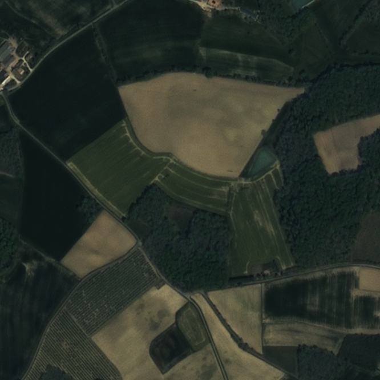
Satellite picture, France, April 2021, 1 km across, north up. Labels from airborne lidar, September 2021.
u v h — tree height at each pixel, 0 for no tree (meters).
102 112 0
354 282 0
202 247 19
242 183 0
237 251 0
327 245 16
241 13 13
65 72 0
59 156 0
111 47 0
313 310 0
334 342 0
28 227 0
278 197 18
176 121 0
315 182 24
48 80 0
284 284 0
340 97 26
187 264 16
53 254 0
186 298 0
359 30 0
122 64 0
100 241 0
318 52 0
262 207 0
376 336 8
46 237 0
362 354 6
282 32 23
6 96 11
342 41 14
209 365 0
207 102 0
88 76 0
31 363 0
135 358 0
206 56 0
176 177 0
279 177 0
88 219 15
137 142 0
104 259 0
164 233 20
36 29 0
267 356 0
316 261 16
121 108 0
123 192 0
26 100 0
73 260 0
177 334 0
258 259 0
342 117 21
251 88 0
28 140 0
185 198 0
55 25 0
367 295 0
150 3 0
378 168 22
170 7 0
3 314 0
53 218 0
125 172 0
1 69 0
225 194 0
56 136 0
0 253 29
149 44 0
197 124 0
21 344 0
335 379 13
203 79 0
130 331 0
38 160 0
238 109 0
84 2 0
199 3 0
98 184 0
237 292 0
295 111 10
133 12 0
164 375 0
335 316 0
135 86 0
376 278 0
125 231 0
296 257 17
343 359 12
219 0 0
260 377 0
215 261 23
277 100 0
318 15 0
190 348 0
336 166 0
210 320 0
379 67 17
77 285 0
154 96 0
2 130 0
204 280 20
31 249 0
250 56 0
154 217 23
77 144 0
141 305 0
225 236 19
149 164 0
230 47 0
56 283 0
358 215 20
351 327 0
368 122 0
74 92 0
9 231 16
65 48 0
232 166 0
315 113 29
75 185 0
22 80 0
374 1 15
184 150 0
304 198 24
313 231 20
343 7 0
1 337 0
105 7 0
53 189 0
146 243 16
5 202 0
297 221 6
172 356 0
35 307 0
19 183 0
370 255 0
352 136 0
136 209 21
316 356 20
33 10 0
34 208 0
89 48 0
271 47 0
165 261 16
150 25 0
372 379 0
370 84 28
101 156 0
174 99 0
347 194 19
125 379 0
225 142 0
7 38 0
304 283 0
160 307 0
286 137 18
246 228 0
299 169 20
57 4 0
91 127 0
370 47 0
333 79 26
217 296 0
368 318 0
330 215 15
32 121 0
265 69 0
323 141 0
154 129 0
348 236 14
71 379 18
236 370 0
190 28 0
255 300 0
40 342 0
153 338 0
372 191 22
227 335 0
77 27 6
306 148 17
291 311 0
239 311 0
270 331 0
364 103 29
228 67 0
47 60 0
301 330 0
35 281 0
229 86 0
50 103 0
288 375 0
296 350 0
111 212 0
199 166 0
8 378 0
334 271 0
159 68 0
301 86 17
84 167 0
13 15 0
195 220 15
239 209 0
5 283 0
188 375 0
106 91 0
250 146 0
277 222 0
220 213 0
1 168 9
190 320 0
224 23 0
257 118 0
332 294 0
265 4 19
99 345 0
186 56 0
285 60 0
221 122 0
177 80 0
